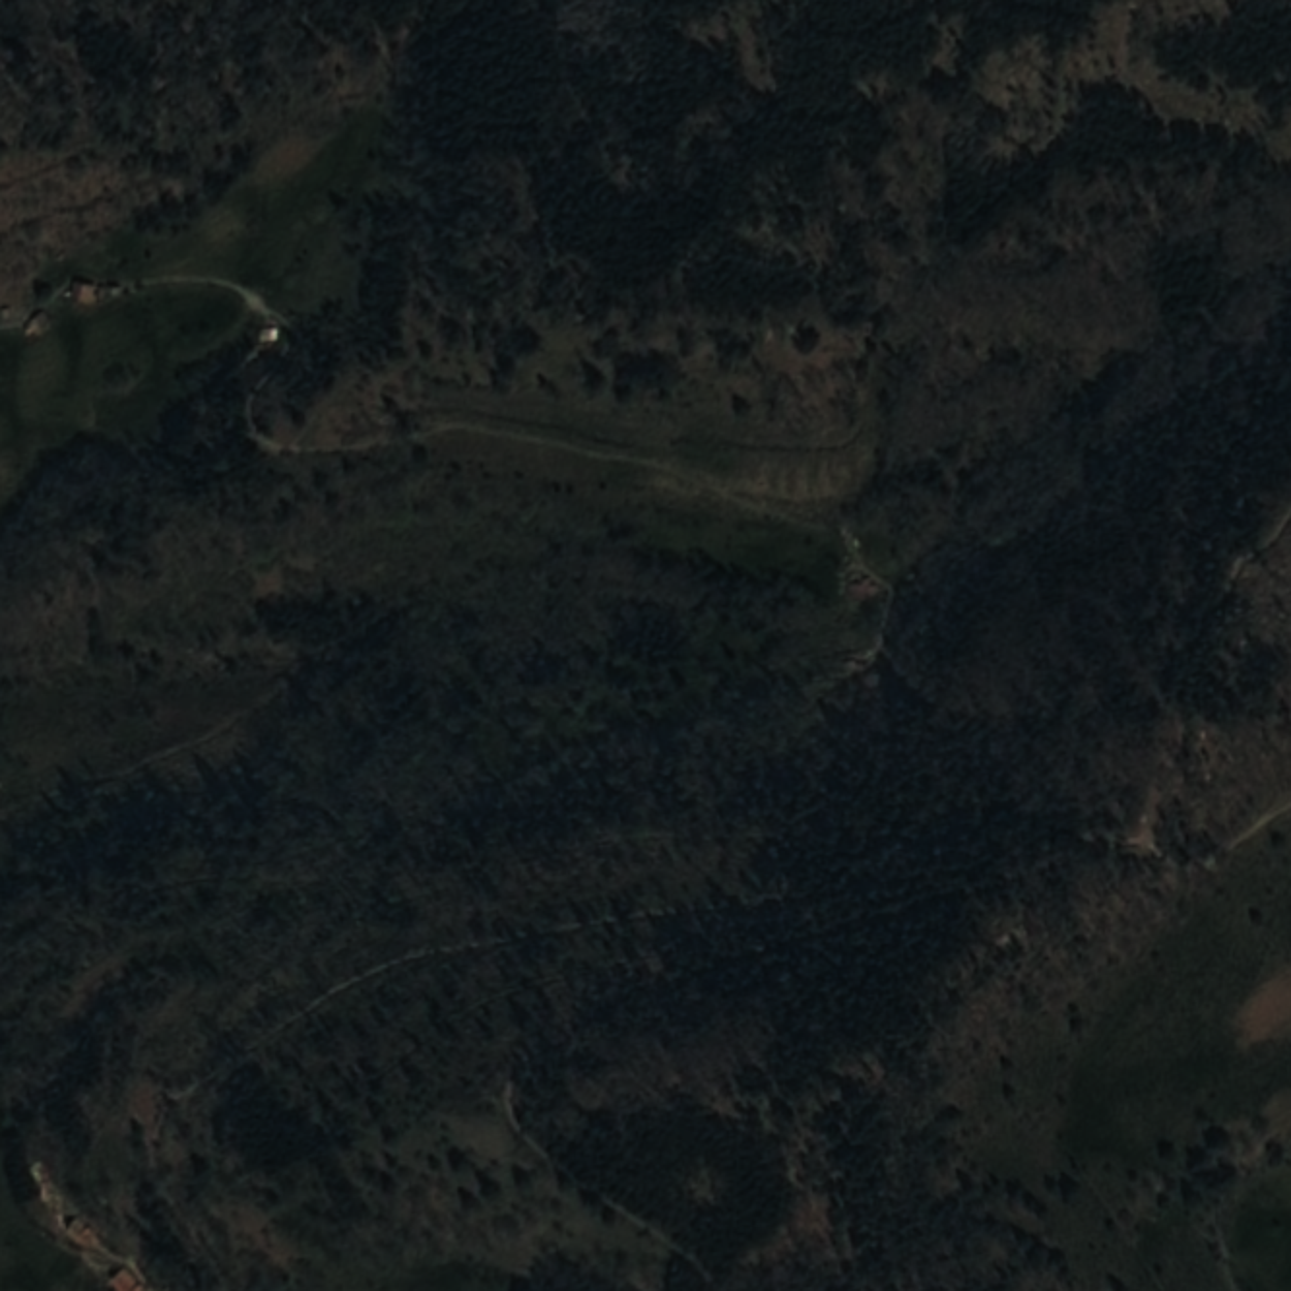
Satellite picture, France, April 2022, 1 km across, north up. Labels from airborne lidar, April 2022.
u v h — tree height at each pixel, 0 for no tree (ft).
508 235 97
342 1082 22
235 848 71
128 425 0
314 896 0
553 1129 46
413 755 94
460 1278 0
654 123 55
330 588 25
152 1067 0
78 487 85
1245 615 71
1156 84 0
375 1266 30
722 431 0
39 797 0
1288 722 75
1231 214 75
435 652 51
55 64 114
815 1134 63
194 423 56
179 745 0
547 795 57
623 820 73
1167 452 68
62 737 0
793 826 41
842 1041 58
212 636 64
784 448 0
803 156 78
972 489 84
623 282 72
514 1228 57
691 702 0
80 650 38
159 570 55
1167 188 87
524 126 66
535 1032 42
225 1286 70
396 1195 51
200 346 0
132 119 90
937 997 72
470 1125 0
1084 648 67
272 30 118
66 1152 46
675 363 53
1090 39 55
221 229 0
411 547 25
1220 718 88
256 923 67
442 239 74
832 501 0
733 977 86
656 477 0
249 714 0
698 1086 60
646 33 74
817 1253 63
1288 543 0
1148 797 49
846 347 40
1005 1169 0
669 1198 59
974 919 52
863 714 33
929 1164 80
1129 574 37
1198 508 56
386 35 54
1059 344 77
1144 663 66
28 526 77
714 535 0
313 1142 60
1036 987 67
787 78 78
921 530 63
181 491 22
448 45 85
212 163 25
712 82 74
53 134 50
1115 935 66
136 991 37
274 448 0
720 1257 60
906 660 75
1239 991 0
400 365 22
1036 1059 0
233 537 61
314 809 90
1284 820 0
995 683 70
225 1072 70
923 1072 79
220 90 91
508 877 54
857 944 53
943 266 84
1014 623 76
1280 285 83
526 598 73
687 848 49
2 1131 42
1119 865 53
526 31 76
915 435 94
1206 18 77
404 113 54
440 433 0
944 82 87
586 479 0
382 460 23
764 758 25
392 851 49
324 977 0
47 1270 0
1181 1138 0
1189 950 0
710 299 66
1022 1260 27
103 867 83
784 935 53
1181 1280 0
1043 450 95
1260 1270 0
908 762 61
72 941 21
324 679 100
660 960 55
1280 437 59
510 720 47
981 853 48
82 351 0
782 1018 75
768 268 73
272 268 0
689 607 81
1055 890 41
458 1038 47
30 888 59
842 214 58
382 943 0
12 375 0
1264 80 88
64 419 0
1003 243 51
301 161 0
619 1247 0
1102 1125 0
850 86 68
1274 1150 41
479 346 51
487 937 43
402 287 28
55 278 0
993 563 75
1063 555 67
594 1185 46
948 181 61
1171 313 92
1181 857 55
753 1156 64
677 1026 74
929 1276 76
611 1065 74
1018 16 92
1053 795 60
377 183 0
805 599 58
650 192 92
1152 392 88
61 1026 0
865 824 38
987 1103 0
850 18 68
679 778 62
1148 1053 0
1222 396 73
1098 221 63
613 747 41
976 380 72
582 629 68
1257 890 0
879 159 55
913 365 89
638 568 94
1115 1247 0
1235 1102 0
